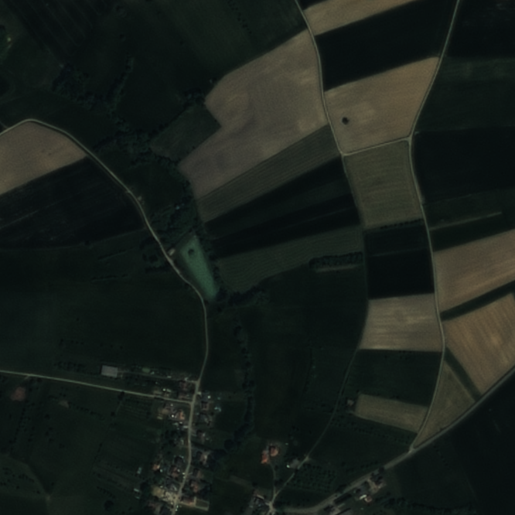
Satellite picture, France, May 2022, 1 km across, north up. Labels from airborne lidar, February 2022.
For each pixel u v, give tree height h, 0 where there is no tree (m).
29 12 0
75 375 0
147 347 0
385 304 0
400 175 0
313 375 6
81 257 0
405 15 0
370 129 0
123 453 0
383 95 0
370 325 0
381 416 0
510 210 0
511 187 0
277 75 0
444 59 0
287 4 0
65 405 0
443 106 0
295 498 0
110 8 0
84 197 0
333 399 0
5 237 0
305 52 0
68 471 0
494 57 0
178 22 0
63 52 0
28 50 0
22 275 0
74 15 0
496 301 0
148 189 0
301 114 0
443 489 0
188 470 0
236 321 11
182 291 0
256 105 0
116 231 0
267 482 0
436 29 0
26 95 0
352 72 0
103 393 0
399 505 6
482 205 0
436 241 0
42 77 0
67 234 0
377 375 0
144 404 0
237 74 0
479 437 0
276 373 0
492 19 0
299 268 0
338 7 0
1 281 0
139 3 0
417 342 0
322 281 0
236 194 0
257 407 0
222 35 0
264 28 0
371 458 0
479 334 0
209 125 0
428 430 0
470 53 0
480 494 0
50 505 0
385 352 0
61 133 0
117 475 0
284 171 0
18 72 0
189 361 0
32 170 0
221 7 0
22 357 0
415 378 0
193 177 0
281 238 0
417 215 0
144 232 0
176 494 0
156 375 0
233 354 0
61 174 0
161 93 0
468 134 0
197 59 0
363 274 0
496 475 0
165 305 0
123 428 0
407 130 0
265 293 13
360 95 0
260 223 0
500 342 0
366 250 0
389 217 0
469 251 0
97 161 0
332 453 0
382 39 0
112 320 0
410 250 0
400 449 0
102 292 0
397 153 0
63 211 0
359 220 0
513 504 0
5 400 0
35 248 0
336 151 0
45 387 0
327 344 0
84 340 0
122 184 0
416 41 0
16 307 0
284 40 0
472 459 0
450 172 0
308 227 0
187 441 0
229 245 0
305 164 0
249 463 0
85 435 0
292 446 0
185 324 0
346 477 0
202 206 0
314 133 0
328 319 0
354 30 0
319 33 0
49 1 0
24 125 0
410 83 0
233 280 0
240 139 0
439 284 0
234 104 0
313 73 0
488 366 0
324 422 0
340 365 0
